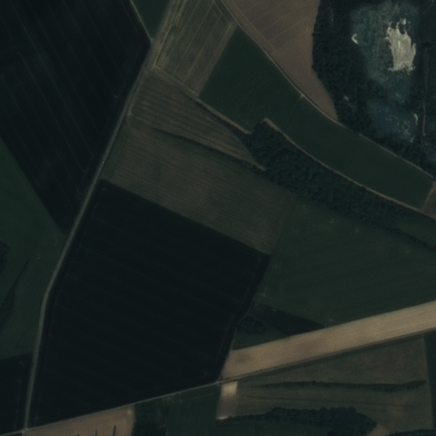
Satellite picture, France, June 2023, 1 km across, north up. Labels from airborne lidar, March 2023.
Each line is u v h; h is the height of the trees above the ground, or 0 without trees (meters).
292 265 0
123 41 0
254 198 0
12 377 0
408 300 0
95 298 0
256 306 0
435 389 0
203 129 0
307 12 0
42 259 0
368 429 11
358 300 0
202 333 0
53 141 0
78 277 0
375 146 0
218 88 0
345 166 0
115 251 0
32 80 0
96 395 0
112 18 0
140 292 0
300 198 0
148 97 0
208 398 0
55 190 0
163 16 0
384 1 0
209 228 0
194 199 0
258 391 0
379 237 0
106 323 0
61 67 0
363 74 6
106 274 0
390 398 0
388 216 6
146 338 0
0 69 0
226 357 0
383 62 0
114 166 0
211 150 7
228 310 0
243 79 0
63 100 0
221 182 0
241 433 0
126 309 0
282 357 0
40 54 0
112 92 0
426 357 0
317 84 0
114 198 0
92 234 0
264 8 0
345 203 14
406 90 0
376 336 0
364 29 0
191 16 0
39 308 0
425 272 0
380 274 0
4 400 0
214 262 0
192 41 0
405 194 0
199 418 0
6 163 0
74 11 0
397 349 0
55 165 0
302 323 0
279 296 0
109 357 0
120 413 0
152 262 0
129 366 0
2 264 14
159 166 0
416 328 0
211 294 0
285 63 0
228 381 0
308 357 0
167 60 0
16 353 0
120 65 0
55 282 0
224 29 0
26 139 0
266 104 0
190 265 0
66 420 0
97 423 0
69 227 0
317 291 0
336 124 0
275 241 0
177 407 0
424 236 0
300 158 23
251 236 0
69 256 0
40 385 0
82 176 0
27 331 0
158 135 0
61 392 0
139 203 0
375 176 0
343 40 6
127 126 0
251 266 0
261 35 0
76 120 0
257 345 0
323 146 0
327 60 6
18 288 0
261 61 0
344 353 0
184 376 0
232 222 0
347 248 0
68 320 0
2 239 0
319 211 0
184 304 0
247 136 8
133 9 0
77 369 0
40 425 0
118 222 0
